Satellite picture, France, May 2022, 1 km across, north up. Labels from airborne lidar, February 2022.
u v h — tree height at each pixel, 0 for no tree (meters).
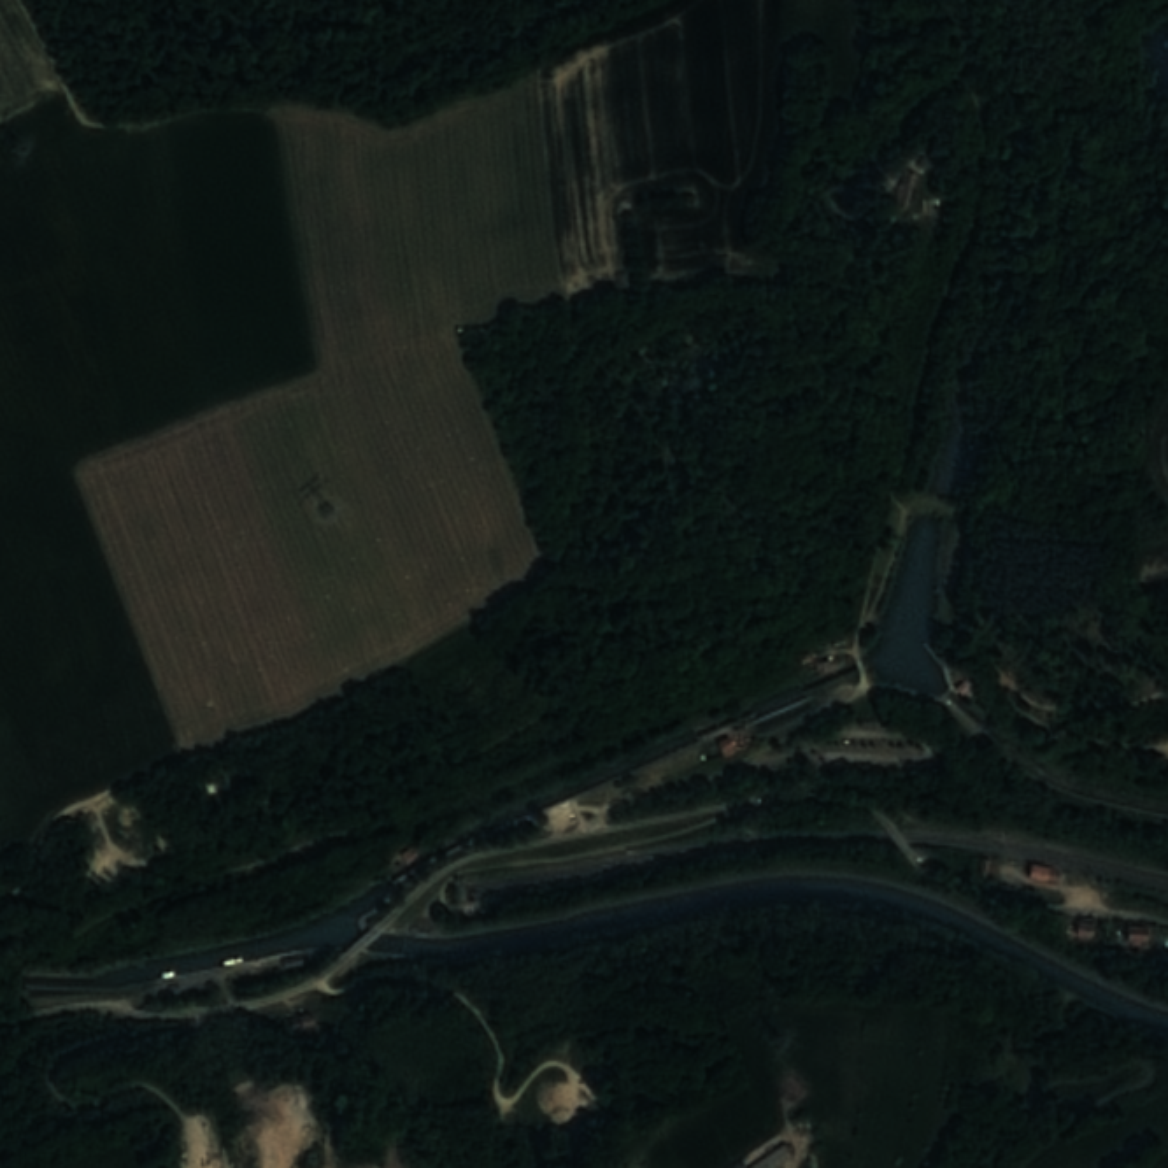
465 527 0
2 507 0
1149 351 25
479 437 0
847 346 28
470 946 0
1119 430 31
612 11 23
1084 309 30
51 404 0
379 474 0
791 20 0
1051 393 28
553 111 0
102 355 0
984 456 26
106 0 29
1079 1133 9
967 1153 26
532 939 0
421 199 0
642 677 19
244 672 0
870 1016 0
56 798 0
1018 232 37
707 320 29
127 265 0
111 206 0
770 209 25
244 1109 0
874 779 21
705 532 25
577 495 29
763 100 0
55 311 0
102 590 0
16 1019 22
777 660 27
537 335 8
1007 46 27
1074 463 29
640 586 19
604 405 20
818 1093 0
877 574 0
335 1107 26
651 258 0
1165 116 28
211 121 0
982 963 26
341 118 0
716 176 0
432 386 0
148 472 0
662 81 0
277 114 0
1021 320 33
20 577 0
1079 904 0
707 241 0
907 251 15
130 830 0
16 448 0
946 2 26
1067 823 24
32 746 0
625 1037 22
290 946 0
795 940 20
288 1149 0
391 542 0
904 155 14
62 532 0
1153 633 32
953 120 23
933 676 0
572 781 19
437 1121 12
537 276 0
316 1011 0
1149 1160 15
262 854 18
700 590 29
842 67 0
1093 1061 10
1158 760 14
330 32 31
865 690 0
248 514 0
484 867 0
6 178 0
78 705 0
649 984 22
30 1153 27
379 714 22
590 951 23
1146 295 29
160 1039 16
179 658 0
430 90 25
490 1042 0
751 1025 0
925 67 24
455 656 0
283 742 15
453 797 16
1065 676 25
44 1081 12
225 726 0
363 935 0
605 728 23
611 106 0
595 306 17
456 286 0
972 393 21
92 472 0
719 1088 15
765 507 26
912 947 19
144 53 35
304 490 0
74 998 0
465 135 0
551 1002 16
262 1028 21
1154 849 28
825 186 28
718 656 21
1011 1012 24
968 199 21
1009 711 13
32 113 0
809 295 23
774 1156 0
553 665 19
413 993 27
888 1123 0
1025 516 25
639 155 0
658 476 25
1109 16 26
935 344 22
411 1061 0
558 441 19
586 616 24
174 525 0
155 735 0
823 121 23
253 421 0
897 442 28
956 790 23
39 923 22
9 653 0
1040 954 0
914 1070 0
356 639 0
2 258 0
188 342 0
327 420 0
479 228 0
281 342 0
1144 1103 0
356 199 0
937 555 0
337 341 0
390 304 0
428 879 15
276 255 0
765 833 11
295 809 24
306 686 0
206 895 21
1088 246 27
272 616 0
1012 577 28
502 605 20
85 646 0
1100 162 28
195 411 0
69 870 19
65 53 23
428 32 14
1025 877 0
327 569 0
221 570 0
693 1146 0
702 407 25
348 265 0
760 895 0
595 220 0
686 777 0
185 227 0
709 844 0
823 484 21
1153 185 23
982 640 30
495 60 29
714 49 0
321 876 26
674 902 0
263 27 34
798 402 22
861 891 0
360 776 27
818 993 18
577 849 0
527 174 0
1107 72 20
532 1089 0
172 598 0
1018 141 18
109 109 26
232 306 0
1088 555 28
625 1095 23
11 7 0
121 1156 0
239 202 0
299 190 0
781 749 18
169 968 0
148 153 0
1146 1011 0
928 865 0
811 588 26
